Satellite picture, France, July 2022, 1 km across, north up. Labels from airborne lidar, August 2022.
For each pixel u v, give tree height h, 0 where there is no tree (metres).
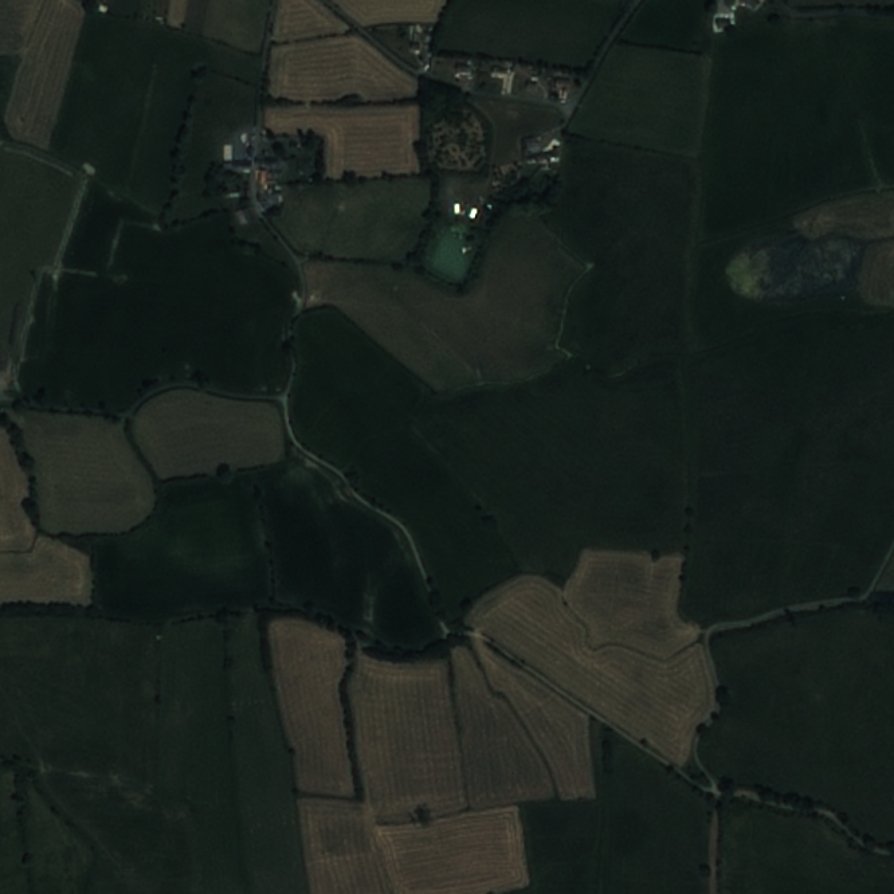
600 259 0
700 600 0
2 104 0
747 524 0
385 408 0
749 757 0
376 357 0
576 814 0
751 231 0
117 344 0
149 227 0
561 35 0
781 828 0
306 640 0
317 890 0
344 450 0
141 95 0
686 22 0
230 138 0
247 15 0
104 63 0
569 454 0
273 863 0
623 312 0
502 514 0
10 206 0
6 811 0
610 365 0
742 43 0
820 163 0
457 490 0
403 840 0
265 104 9
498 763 0
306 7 0
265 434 0
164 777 0
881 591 0
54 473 0
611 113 0
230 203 0
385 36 0
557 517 0
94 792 0
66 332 0
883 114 0
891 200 0
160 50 0
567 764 0
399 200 0
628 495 0
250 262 0
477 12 0
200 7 0
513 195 7
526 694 0
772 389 0
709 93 0
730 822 0
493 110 0
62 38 0
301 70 0
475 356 0
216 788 0
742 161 0
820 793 0
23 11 0
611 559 0
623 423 0
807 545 0
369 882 0
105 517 0
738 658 0
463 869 0
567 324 0
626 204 0
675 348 0
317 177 13
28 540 0
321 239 0
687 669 0
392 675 0
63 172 0
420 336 0
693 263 0
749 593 0
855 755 0
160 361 0
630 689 0
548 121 0
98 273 0
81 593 0
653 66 0
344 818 0
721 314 0
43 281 0
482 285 0
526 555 0
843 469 0
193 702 0
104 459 0
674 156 0
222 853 0
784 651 0
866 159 0
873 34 0
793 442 0
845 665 0
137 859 0
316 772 0
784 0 6
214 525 0
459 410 0
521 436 0
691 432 0
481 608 0
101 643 0
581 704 0
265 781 0
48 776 0
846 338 0
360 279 0
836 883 0
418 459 0
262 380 0
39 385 0
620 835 0
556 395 0
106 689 0
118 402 0
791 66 0
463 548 0
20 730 0
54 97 0
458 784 0
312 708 0
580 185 0
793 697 0
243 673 0
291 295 0
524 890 0
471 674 0
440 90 12
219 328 0
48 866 0
